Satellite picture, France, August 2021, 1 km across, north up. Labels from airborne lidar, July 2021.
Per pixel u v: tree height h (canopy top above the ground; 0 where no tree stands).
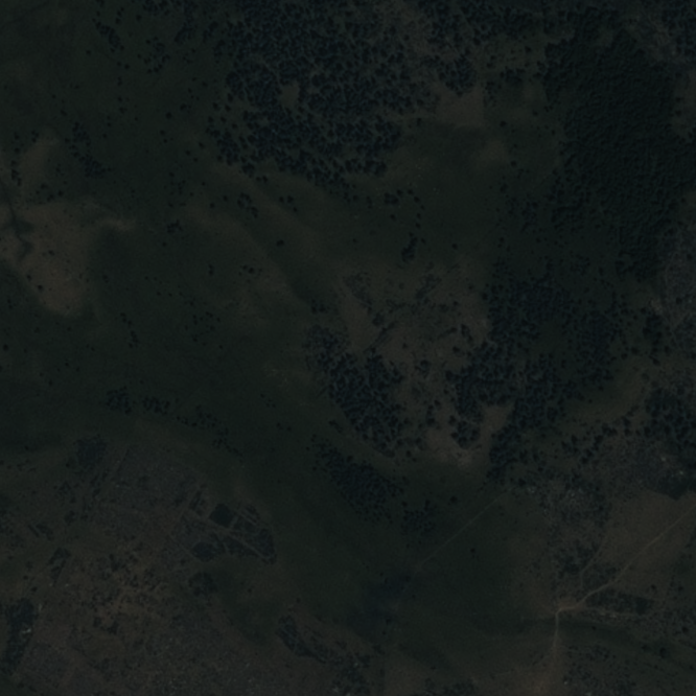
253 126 17
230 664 0
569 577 0
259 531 0
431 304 0
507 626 0
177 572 0
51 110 0
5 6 0
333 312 0
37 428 0
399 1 0
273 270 0
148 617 0
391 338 0
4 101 0
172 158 0
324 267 0
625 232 9
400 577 0
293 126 19
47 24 0
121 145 0
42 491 0
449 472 0
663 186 13
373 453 0
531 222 8
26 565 0
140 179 0
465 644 0
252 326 0
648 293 0
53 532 0
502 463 10
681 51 13
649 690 0
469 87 9
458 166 0
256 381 0
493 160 0
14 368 0
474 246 0
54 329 0
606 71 11
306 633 0
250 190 0
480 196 0
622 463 0
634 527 0
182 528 0
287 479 0
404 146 0
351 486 8
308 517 0
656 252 7
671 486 0
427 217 0
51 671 0
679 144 10
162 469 0
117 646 0
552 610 0
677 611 0
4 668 0
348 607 0
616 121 13
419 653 0
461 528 0
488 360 9
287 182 0
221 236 0
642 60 13
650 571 0
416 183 0
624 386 0
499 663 0
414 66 0
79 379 0
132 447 0
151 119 0
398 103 17
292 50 16
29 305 0
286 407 0
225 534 0
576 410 0
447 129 0
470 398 16
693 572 0
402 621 0
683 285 0
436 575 0
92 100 0
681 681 0
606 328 12
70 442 0
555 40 0
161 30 0
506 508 0
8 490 0
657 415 13
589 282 0
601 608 0
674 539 0
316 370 0
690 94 0
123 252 0
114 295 0
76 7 0
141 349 0
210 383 0
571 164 9
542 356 9
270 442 0
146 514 0
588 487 0
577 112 8
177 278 0
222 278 0
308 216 0
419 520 7
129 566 0
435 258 0
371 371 13
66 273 0
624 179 10
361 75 11
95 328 0
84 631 0
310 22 7
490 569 0
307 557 0
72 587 0
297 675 0
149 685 0
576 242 0
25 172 0
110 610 0
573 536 0
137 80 0
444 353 0
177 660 0
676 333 0
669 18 10
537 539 0
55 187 0
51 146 0
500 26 9
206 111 0
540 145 0
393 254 0
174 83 0
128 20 0
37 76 0
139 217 0
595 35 12
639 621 0
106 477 0
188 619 0
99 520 0
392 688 0
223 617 0
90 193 0
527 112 0
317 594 0
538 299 10
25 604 0
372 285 0
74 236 0
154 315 0
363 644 0
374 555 0
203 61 0
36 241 0
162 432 0
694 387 0
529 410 11
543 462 0
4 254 0
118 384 0
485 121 0
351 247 0
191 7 12
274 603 0
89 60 0
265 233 0
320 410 0
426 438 0
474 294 0
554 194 9
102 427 0
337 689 0
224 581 0
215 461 0
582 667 0
